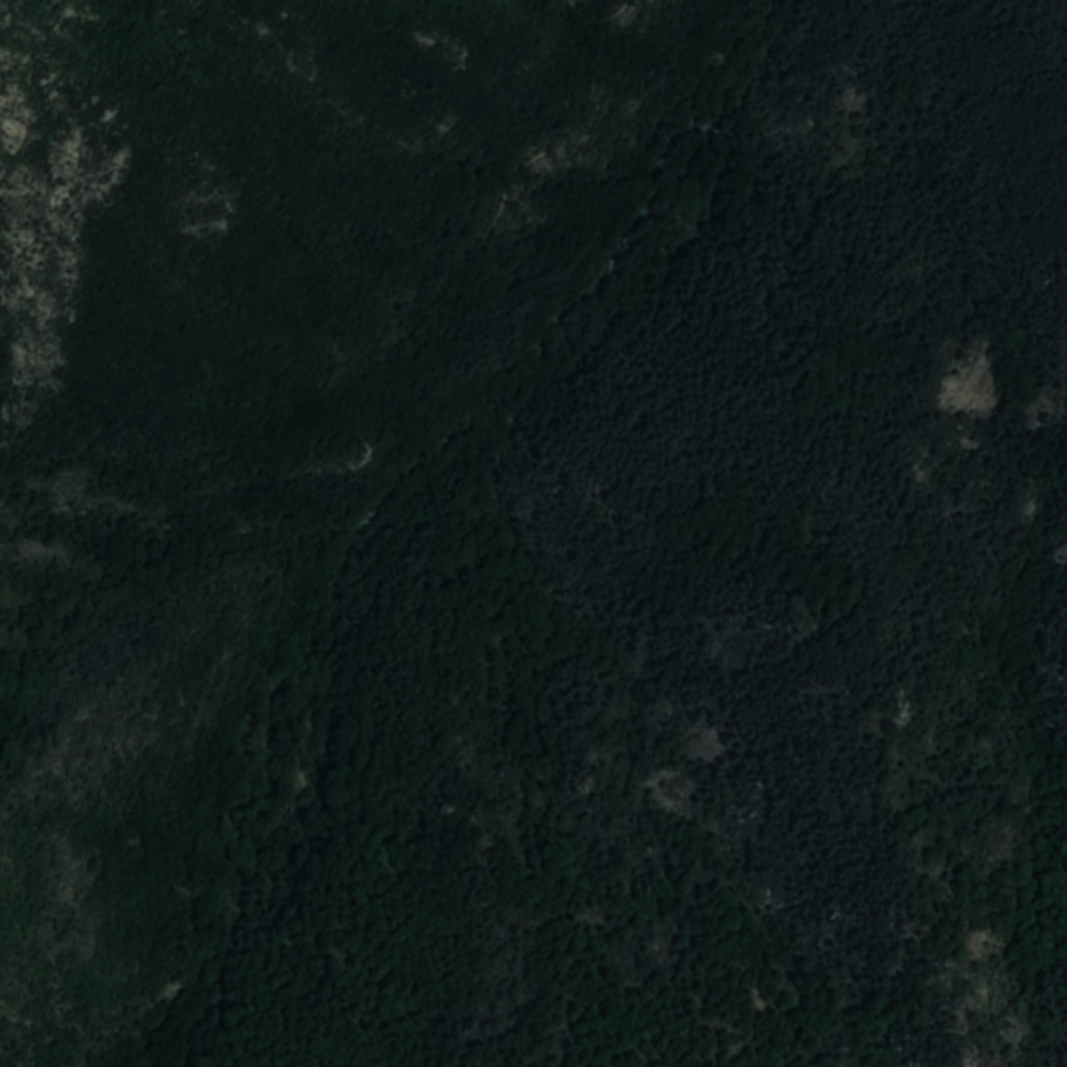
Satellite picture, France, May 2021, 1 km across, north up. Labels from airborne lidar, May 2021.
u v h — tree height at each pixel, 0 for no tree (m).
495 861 15
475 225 15
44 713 6
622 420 21
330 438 7
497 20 6
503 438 19
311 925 19
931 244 22
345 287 16
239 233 9
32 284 7
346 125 13
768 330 17
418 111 6
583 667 10
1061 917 15
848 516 24
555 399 21
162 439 6
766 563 14
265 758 18
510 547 14
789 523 19
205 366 12
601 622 7
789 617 14
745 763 15
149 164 8
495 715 18
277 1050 14
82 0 10
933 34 21
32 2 8
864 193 9
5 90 7
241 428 11
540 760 23
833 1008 14
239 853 24
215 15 10
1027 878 20
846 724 17
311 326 14
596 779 10
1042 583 9
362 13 11
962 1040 8
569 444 22
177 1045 18
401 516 13
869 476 15
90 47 8
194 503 17
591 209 15
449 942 13
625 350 15
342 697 16
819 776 13
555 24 8
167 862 13
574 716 17
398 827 22
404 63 10
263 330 17
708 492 20
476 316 18
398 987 16
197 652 9
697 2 15
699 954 13
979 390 0
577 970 13
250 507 25
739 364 17
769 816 13
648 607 17
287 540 19
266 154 12
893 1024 5
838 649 21
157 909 11
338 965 22
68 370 10
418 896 12
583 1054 13
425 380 12
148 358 8
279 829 7
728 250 24
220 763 22
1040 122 17
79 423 12
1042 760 15
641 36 8
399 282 8
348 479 10
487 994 10
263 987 15
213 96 9
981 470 12
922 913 5
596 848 13
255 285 14
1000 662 8
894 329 12
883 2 27
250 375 11
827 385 19
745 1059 10
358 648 16
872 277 16
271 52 9
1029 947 24
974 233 23
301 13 9
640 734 11
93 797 14
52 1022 11
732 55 16
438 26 7
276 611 10
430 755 15
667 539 15
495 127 11
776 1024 20
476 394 17
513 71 14
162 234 10
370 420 13
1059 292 14
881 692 12
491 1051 16
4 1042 11
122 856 11
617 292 22
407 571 12
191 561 22
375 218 12
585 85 9
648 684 14
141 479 23
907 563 16
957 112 14
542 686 12
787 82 19
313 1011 16
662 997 17
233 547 9
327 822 17
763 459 22
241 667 12
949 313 21
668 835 15
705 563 15
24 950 14
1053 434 17
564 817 6
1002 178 15
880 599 21
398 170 10
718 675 15
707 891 16
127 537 23
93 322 9
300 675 26
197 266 8
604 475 19
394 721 10
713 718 17
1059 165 16
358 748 22
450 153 10
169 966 10
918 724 19
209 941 18
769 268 24
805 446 16
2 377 15
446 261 23
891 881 11
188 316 11
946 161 22
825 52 7
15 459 18
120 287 9
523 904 15
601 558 17
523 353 18
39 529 16
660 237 22
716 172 22
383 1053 15
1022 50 18
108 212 8
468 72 9
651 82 17
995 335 16
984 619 16
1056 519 14
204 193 9
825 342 15
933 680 17
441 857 12
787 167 16
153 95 8
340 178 9
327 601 14
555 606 24
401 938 13
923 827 7
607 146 8
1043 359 17
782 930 8
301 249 12
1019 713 15
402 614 19
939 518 9
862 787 13
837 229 19
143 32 15
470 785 10
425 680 14
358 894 18
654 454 21
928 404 7
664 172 22
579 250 17
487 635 15
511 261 23
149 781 21
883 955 14
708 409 23
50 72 7
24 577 5
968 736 17
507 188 8
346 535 17
